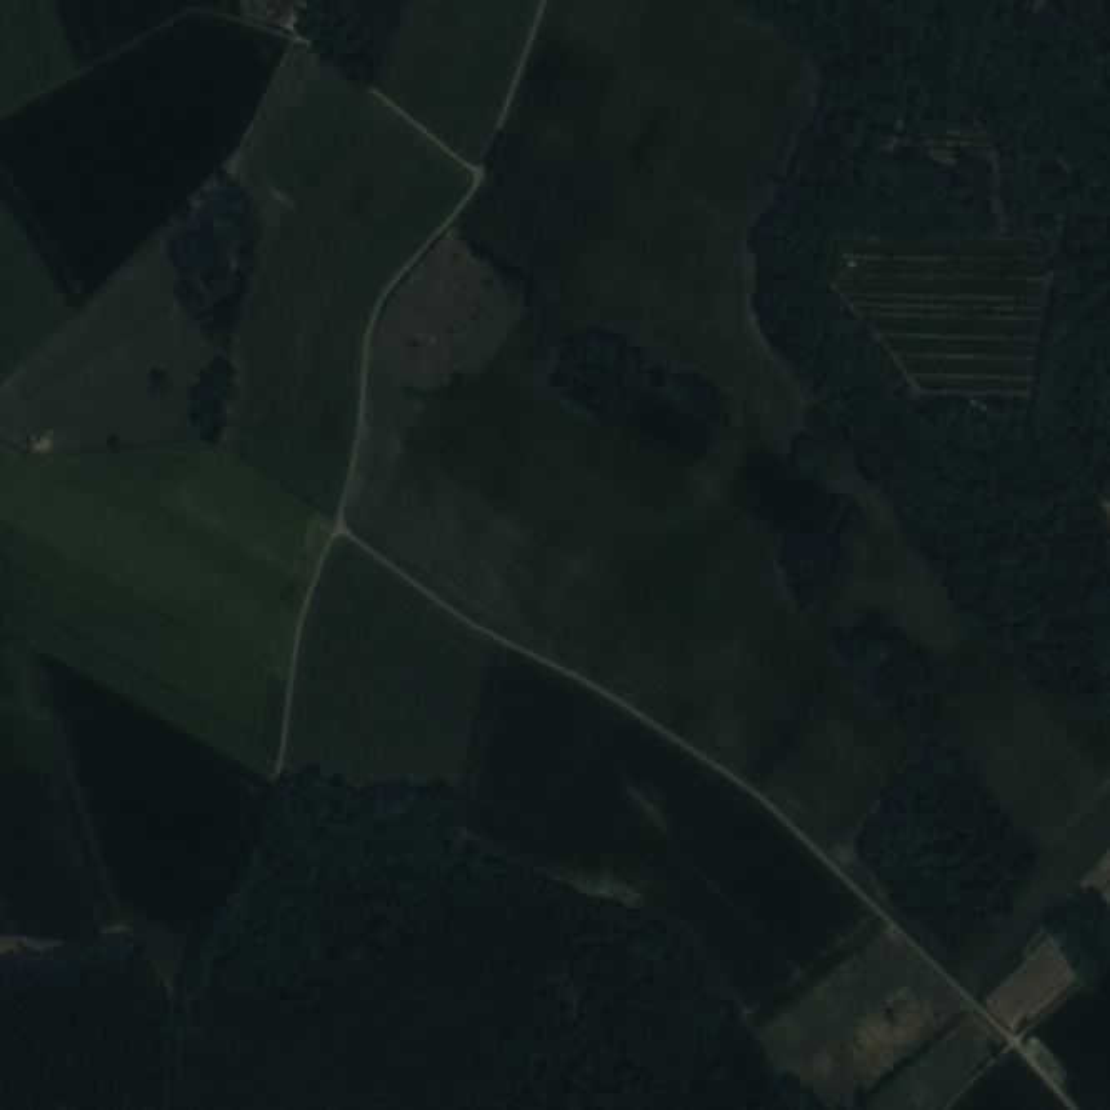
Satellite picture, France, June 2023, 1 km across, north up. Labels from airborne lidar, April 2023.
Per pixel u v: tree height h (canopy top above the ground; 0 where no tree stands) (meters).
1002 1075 0
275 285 0
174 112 0
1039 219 19
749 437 0
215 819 0
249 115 0
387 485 0
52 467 0
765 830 0
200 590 0
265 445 0
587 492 0
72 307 0
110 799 0
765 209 0
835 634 0
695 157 0
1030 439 28
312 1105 17
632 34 0
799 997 0
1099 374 24
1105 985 0
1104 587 37
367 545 0
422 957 16
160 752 0
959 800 32
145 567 0
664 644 0
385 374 0
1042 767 0
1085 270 22
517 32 0
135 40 0
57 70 0
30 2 0
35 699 0
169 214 0
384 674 0
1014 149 25
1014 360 0
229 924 25
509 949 14
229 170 0
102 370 0
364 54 27
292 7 0
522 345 0
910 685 26
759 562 0
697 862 0
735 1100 18
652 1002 20
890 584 0
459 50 0
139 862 0
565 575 0
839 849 0
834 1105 0
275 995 14
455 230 0
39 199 0
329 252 0
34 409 0
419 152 0
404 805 21
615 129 0
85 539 0
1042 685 26
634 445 0
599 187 0
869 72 22
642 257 0
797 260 24
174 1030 18
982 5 22
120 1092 16
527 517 0
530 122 0
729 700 0
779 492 0
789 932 0
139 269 0
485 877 12
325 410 0
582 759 0
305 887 23
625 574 0
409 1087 18
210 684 0
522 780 0
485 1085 18
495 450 0
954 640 0
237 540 0
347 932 12
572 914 16
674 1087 18
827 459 0
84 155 0
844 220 21
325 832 24
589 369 30
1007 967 0
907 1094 0
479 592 0
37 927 0
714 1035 22
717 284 0
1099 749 0
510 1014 18
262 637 0
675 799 0
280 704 0
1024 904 0
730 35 0
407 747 0
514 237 0
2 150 0
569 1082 24
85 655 0
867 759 0
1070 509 25
